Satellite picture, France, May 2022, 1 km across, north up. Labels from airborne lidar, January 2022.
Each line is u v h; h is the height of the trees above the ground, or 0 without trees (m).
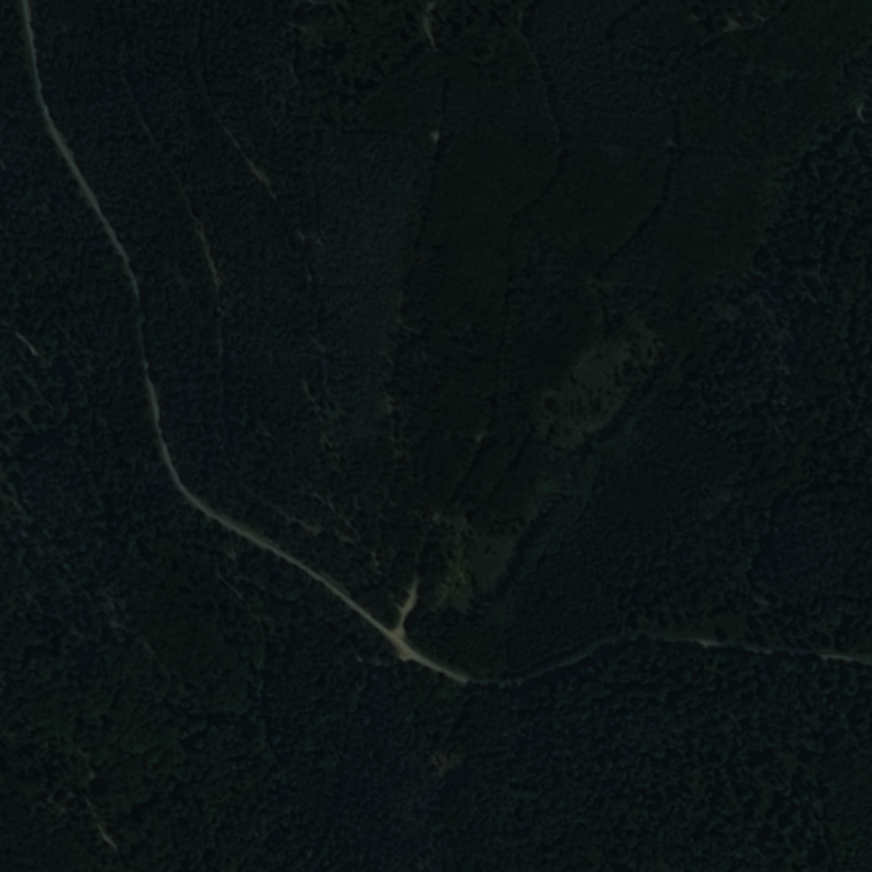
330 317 21
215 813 27
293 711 27
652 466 15
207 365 24
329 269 21
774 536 32
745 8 17
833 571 27
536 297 23
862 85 27
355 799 29
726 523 20
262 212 16
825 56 16
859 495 22
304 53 23
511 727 25
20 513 24
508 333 22
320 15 17
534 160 17
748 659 22
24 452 24
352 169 24
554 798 29
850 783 10
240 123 15
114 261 36
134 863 30
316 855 31
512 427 21
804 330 27
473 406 19
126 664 32
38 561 34
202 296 20
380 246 23
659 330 20
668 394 19
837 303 38
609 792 30
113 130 34
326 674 22
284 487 18
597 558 25
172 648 15
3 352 27
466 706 19
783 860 25
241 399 23
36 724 34
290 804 32
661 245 25
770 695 29
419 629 22
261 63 19
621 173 16
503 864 24
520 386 23
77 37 22
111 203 24
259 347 19
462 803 28
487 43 28
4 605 32
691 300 16
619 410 0
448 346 20
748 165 23
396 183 26
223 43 20
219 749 37
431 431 16
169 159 7
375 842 24
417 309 19
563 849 28
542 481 25
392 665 13
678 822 27
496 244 18
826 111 23
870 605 22
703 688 15
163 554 10
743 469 15
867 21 15
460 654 24
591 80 24
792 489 27
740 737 31
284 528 16
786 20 14
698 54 23
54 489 36
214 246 16
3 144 36
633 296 24
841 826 11
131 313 26
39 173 31
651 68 18
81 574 22
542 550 22
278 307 17
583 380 0
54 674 38
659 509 18
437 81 18
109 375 16
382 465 14
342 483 16
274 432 16
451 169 19
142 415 21
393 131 23
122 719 38
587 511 22
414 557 13
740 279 25
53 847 20
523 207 20
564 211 21
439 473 16
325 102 26
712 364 25
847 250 34
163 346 23
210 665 20
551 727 20
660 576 21
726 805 27
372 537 20
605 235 21
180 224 21
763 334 23
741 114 16
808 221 12
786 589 30
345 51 27
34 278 20
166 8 21
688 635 0
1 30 19
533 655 24
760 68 22
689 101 18
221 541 34
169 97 27
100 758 30
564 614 22
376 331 24
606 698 25
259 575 26
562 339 25
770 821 10
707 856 24
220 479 27
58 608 38
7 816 22
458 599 0
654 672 21
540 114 19
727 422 20
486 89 18
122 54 22
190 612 16
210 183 18
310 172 16
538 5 24
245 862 26
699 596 23
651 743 22
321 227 22
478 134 17
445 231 20
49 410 8
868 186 22
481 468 19
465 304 18
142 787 37
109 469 23
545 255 25
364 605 18
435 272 19
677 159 25
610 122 20
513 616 21
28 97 31
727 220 23
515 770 31
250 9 19
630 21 19
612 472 22
